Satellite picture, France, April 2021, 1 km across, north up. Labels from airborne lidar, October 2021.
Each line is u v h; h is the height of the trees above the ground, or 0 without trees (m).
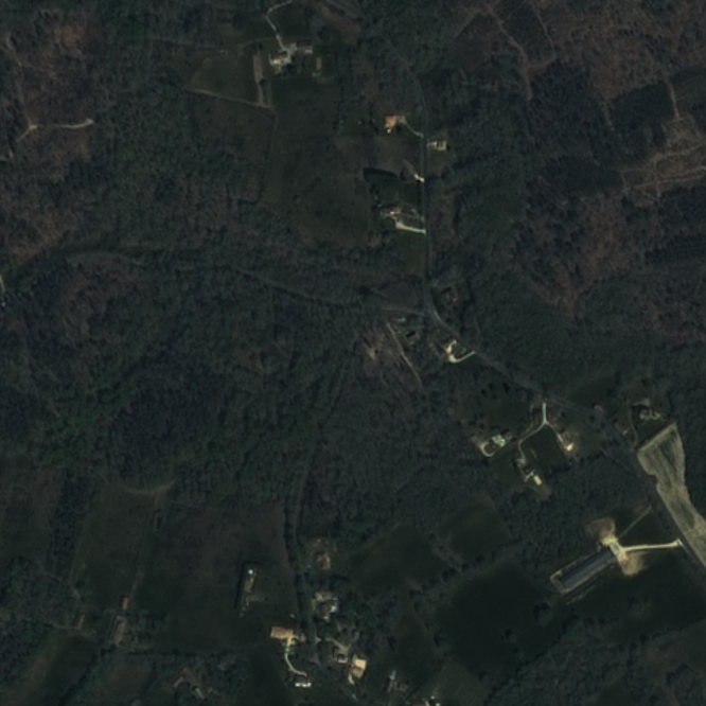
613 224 7
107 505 0
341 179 0
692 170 0
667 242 9
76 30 14
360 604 17
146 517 6
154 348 13
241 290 21
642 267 15
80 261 0
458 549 0
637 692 6
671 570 0
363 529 23
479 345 20
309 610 19
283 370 10
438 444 9
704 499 18
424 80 8
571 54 15
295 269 12
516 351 20
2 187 10
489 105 24
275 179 0
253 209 12
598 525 0
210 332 18
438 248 8
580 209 21
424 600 14
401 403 16
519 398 7
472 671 0
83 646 0
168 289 21
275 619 0
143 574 0
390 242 13
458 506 11
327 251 12
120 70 6
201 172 9
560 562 18
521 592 0
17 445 22
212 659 8
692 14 9
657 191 0
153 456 24
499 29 8
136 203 19
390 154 0
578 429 0
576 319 12
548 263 11
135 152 21
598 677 6
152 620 14
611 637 0
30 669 21
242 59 0
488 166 26
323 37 14
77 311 7
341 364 20
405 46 22
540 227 11
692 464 16
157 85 16
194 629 0
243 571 6
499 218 21
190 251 8
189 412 23
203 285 18
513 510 12
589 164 9
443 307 6
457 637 0
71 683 0
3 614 19
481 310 24
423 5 21
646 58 14
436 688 0
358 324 20
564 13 0
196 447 22
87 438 17
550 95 27
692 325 6
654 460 0
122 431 20
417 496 10
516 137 18
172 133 12
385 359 10
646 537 0
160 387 15
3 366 12
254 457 27
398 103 15
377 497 16
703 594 0
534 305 17
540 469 0
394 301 14
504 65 20
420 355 9
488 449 0
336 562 0
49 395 26
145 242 17
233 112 0
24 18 11
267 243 14
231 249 21
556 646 7
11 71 13
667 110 15
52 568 8
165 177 10
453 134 8
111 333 29
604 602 0
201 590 0
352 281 13
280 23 7
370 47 14
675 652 0
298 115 0
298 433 24
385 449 18
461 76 7
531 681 10
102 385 29
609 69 12
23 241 24
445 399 25
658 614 0
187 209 14
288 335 22
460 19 12
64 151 0
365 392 16
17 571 13
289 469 19
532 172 11
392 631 15
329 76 0
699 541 0
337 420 18
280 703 0
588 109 24
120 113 11
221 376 23
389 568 0
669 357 20
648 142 19
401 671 0
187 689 14
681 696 18
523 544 21
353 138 0
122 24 19
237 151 6
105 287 22
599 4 20
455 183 23
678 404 22
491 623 0
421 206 10
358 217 0
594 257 12
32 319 8
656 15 20
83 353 25
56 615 14
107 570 0
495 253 18
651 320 13
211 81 0
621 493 17
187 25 9
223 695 13
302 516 6
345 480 16
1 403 25
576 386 19
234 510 6
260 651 0
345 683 12
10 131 6
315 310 18
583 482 20
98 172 13
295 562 18
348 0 13
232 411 14
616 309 19
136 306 20
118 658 14
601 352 19
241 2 16
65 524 8
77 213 15
